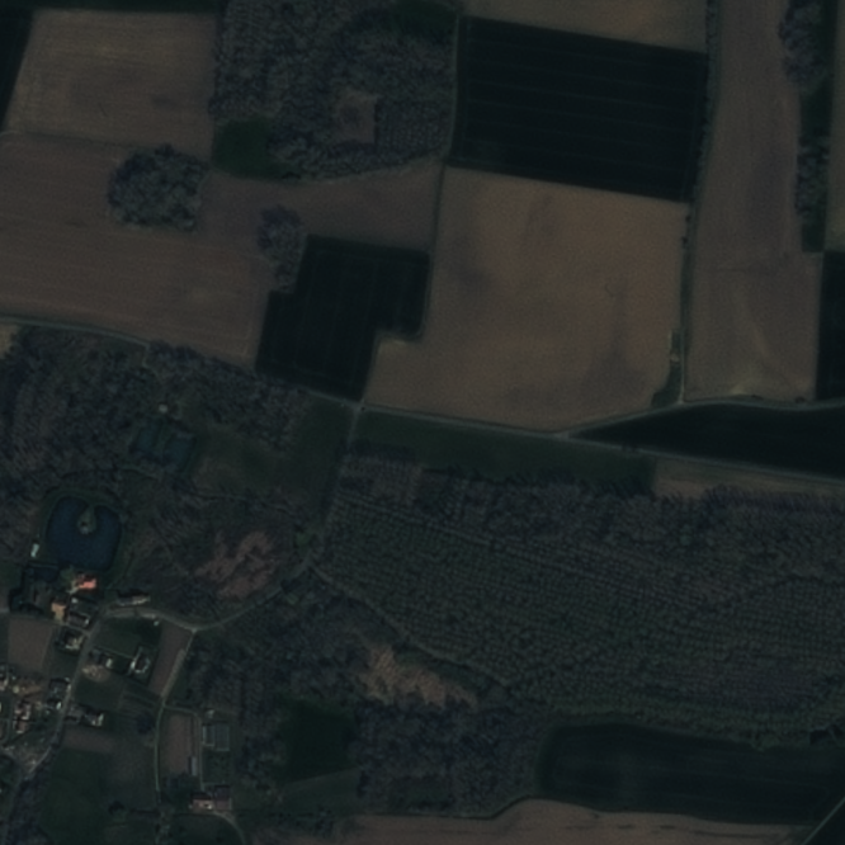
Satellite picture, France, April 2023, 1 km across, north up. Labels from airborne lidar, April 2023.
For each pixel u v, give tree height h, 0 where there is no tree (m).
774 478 0
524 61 0
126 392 10
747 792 0
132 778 0
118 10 0
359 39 25
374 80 37
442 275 0
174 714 0
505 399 0
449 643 27
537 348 0
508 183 0
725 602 30
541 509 27
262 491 0
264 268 0
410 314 0
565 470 0
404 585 30
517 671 27
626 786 0
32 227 0
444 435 0
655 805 0
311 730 0
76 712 0
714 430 0
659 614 27
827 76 15
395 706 28
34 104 0
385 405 0
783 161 0
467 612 27
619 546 29
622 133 0
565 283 0
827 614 29
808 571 39
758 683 14
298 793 0
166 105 0
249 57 32
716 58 9
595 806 0
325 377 0
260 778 18
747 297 0
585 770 0
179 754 0
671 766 0
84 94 0
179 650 0
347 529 22
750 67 0
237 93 14
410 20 0
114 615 0
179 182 29
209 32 0
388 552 30
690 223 9
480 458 0
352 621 20
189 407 26
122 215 28
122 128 0
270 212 0
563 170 0
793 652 29
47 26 0
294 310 0
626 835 0
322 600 14
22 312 0
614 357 0
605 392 0
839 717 26
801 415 0
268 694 13
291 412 26
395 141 16
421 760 27
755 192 0
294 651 24
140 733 0
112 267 0
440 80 15
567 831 0
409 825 0
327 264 0
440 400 0
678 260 0
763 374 0
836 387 0
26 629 0
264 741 10
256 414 19
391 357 0
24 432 40
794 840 0
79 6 0
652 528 35
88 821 0
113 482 10
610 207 0
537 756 13
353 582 26
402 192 0
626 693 26
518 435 0
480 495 11
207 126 0
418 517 21
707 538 28
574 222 0
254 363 0
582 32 0
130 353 0
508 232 0
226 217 0
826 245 0
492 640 29
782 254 0
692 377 0
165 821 15
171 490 17
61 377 34
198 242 0
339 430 0
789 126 0
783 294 0
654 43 0
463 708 8
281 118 31
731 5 0
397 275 0
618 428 0
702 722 25
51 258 0
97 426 22
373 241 0
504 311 0
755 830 0
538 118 0
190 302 0
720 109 0
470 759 29
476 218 0
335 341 0
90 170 0
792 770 0
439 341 0
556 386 0
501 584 23
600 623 28
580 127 0
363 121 19
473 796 30
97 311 0
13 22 0
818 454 0
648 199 0
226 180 0
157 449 0
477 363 0
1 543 39
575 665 28
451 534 30
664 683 19
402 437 0
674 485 0
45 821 0
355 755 20
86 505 0
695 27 0
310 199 0
